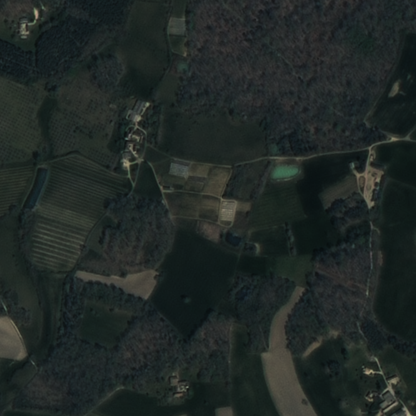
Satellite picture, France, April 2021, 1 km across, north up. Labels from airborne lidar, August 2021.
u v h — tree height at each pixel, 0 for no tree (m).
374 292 10
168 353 9
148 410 0
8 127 6
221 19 16
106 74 21
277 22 17
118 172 13
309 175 0
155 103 6
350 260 15
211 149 0
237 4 15
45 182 0
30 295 0
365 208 13
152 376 17
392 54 18
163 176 0
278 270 0
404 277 0
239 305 15
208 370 16
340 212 13
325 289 22
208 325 17
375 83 17
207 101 14
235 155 0
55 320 0
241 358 0
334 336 0
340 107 15
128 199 19
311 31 15
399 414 0
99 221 0
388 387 0
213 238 0
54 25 16
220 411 0
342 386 0
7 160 9
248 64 18
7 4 16
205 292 0
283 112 9
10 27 7
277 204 0
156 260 18
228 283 0
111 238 17
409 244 0
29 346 0
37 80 11
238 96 19
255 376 0
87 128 7
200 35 19
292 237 14
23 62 15
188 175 0
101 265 0
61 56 17
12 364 0
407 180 0
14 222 0
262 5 15
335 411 0
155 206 17
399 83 0
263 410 0
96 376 25
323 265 25
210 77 18
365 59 17
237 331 0
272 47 19
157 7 0
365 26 17
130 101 0
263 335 11
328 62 7
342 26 20
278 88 16
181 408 0
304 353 21
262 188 14
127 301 7
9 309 15
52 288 0
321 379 0
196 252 0
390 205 0
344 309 18
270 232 0
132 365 13
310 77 12
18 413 0
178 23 0
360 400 0
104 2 22
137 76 0
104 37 20
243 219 0
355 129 14
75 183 5
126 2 20
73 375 14
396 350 17
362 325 11
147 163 10
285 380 0
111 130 0
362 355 0
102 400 16
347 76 16
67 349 24
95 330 0
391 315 0
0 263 0
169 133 0
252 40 8
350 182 0
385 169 0
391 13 24
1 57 16
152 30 0
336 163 0
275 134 12
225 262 0
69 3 18
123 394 0
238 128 0
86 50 17
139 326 18
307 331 21
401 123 0
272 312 15
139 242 19
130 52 0
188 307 0
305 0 10
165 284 0
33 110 7
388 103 0
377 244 0
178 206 0
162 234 22
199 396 0
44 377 5
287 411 0
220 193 0
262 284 17
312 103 16
